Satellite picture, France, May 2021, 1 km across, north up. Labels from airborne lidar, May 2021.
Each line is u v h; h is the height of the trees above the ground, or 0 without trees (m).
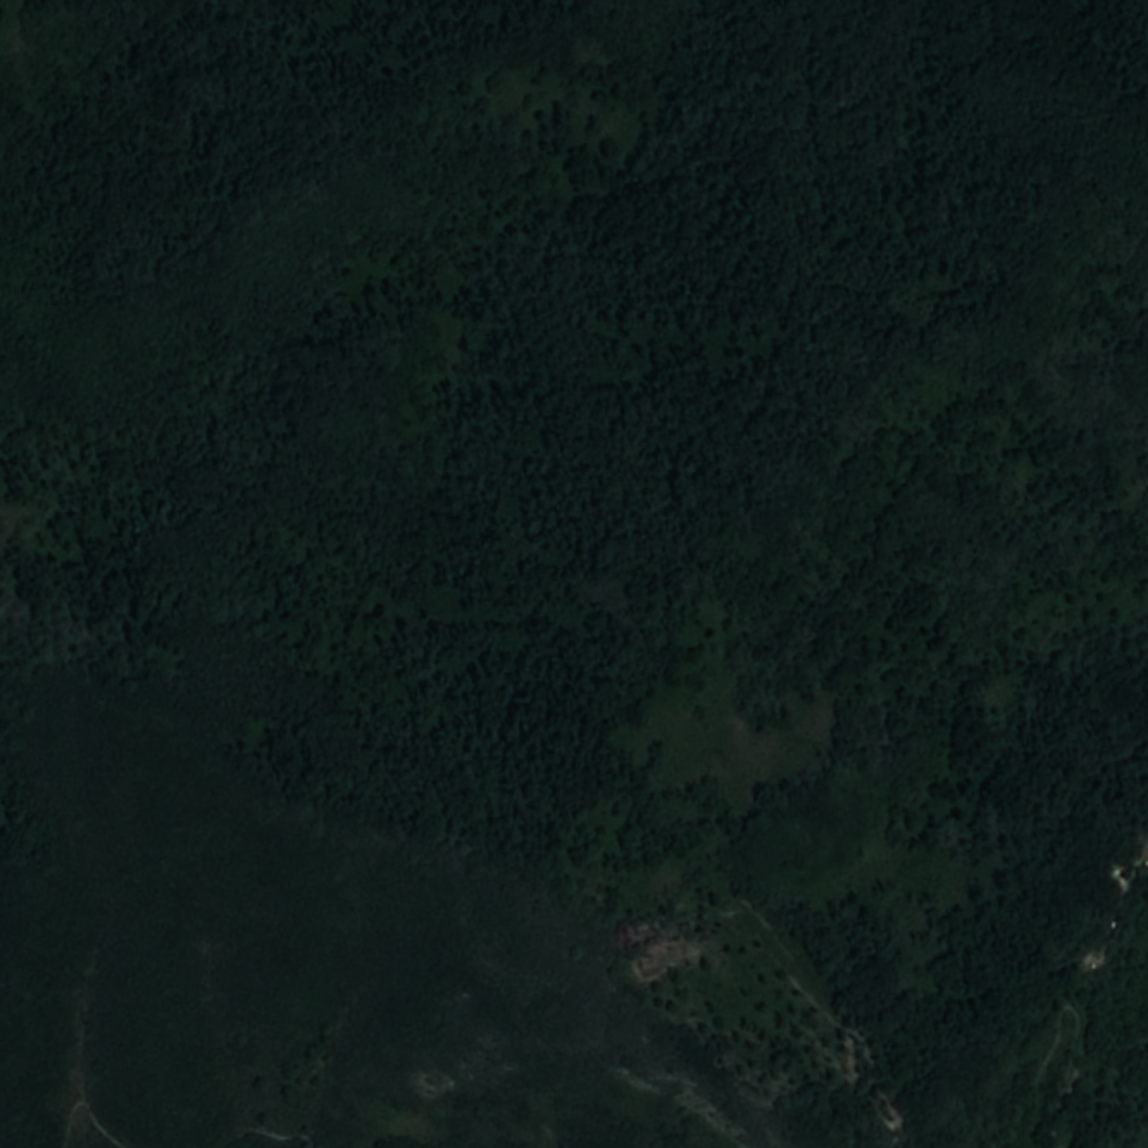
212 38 21
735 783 0
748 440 17
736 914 0
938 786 20
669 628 18
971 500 14
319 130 19
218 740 12
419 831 12
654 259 17
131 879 6
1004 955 13
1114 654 15
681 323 8
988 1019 18
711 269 14
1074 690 16
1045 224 10
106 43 9
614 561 13
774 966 0
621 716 10
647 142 17
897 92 18
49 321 12
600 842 14
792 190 19
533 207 18
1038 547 13
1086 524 20
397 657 14
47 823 7
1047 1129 16
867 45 14
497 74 9
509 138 23
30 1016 6
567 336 17
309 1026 6
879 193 17
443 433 13
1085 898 7
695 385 20
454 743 20
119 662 16
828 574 17
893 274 11
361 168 12
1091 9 13
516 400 23
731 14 14
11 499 9
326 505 15
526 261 21
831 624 21
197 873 5
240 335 14
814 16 20
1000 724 21
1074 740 8
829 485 10
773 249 16
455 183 24
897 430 15
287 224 7
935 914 14
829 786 6
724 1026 14
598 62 6
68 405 12
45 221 12
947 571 9
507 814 15
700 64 18
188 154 9
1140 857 10
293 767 14
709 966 17
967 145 15
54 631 13
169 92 10
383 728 22
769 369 12
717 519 18
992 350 7
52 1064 6
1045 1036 12
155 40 18
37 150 7
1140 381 7
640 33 12
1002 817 14
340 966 6
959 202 17
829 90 19
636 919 10
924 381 8
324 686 15
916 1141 9
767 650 18
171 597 11
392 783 20
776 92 17
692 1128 13
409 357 10
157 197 14
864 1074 12
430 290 12
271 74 18
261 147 18
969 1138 14
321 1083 13
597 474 18
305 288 14
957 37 16
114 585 22
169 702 9
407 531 15
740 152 18
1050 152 12
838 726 9
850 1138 14
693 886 17
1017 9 12
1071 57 9
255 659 14
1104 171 14
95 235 12
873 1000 14
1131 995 23
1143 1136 11
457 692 17
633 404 16
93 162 11
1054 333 11
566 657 18
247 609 18
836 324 19
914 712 10
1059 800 15
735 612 19
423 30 14
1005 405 18
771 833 6
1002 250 17
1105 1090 12
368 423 8
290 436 14
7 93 14
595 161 16
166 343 11
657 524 20
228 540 16
